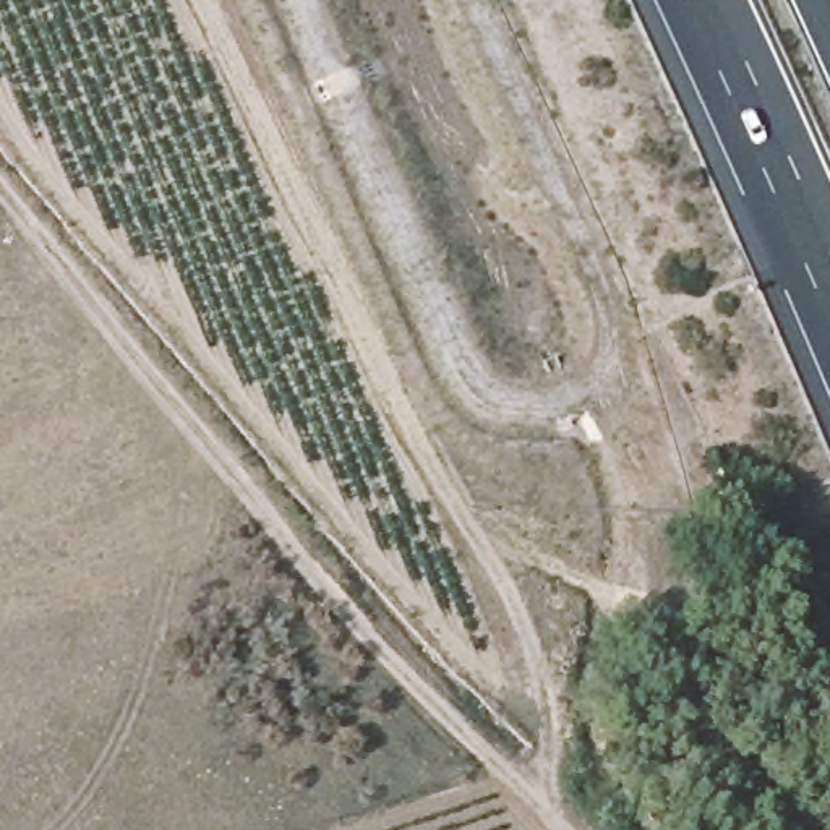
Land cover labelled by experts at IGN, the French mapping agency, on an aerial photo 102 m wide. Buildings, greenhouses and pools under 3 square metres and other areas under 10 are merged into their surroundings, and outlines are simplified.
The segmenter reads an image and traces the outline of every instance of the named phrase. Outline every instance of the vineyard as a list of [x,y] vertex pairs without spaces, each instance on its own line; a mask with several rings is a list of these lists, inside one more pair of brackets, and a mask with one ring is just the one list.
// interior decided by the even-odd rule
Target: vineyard
[[499,778],[486,772],[477,781],[451,785],[428,798],[383,807],[370,817],[357,817],[331,830],[548,830],[535,804],[506,791]]
[[473,729],[483,739],[503,749],[516,765],[535,762],[538,726],[551,723],[551,717],[548,710],[535,710],[535,704],[525,697],[528,668],[522,658],[522,645],[509,626],[506,606],[486,580],[480,561],[470,554],[447,506],[438,503],[434,483],[421,467],[415,447],[409,444],[405,431],[399,428],[386,396],[376,389],[370,396],[363,392],[360,373],[347,357],[347,344],[327,337],[331,302],[318,276],[292,263],[292,253],[279,230],[263,230],[263,220],[272,217],[272,204],[259,185],[243,133],[233,123],[227,94],[214,75],[214,65],[201,52],[191,52],[185,36],[178,32],[178,23],[188,16],[191,23],[198,23],[198,36],[208,36],[208,23],[201,19],[195,0],[0,0],[0,172],[26,198],[36,217],[52,227],[58,243],[75,256],[84,276],[97,285],[97,292],[117,308],[120,321],[136,334],[143,350],[191,399],[198,415],[204,415],[224,441],[237,447],[240,460],[263,483],[269,499],[308,545],[308,551],[324,564],[327,574],[340,580],[340,587],[376,626],[376,632],[383,632],[389,645],[434,691],[441,691],[473,723]]

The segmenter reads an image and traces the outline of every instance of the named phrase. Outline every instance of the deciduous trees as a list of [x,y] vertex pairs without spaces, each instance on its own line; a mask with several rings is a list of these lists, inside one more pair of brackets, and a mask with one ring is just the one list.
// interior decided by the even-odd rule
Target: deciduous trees
[[577,824],[580,830],[830,830],[830,655],[804,626],[807,597],[785,580],[791,571],[801,571],[804,541],[785,538],[772,522],[762,522],[746,490],[755,480],[791,486],[791,480],[807,464],[814,438],[807,428],[798,425],[794,415],[785,415],[759,418],[739,444],[717,444],[704,454],[704,470],[710,470],[713,483],[691,499],[687,516],[674,516],[665,525],[671,567],[658,571],[658,584],[648,590],[645,600],[639,600],[629,610],[600,613],[593,600],[584,603],[584,632],[577,639],[577,652],[564,684],[561,707],[564,720],[571,720],[574,726],[574,739],[564,742],[558,775],[564,791],[564,811],[571,824]]

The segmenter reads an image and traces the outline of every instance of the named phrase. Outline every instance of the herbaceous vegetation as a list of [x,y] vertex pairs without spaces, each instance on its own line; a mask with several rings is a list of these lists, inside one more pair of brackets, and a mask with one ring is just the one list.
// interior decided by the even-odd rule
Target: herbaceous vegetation
[[[217,0],[237,39],[237,49],[250,68],[250,78],[279,123],[279,136],[289,156],[305,175],[314,201],[324,208],[324,217],[334,237],[340,240],[350,272],[366,292],[366,308],[386,340],[386,353],[396,363],[405,399],[412,402],[441,467],[454,467],[460,473],[460,486],[473,503],[477,522],[490,535],[496,558],[506,564],[509,577],[516,580],[528,606],[528,616],[545,652],[545,665],[564,684],[577,652],[577,639],[584,632],[584,603],[593,600],[600,613],[629,610],[639,600],[645,600],[648,590],[658,584],[658,571],[671,567],[665,525],[674,516],[687,516],[691,499],[713,483],[710,470],[704,470],[704,454],[717,444],[739,444],[759,418],[785,415],[794,415],[798,425],[807,428],[814,438],[807,464],[791,480],[791,486],[755,480],[746,490],[762,522],[772,522],[785,538],[804,541],[801,571],[791,571],[785,580],[807,597],[804,626],[830,655],[830,447],[804,392],[804,383],[791,363],[791,353],[781,340],[781,331],[772,318],[772,308],[752,276],[752,266],[746,263],[742,240],[729,220],[729,211],[710,182],[717,169],[704,165],[691,123],[674,97],[674,88],[658,62],[658,52],[632,0]],[[580,84],[580,62],[593,55],[613,62],[613,88]],[[678,139],[687,149],[681,156],[668,152],[661,165],[648,165],[639,159],[635,149],[635,143],[645,136],[658,143]],[[668,253],[681,253],[691,246],[704,253],[707,269],[717,276],[713,285],[704,295],[661,292],[655,282],[658,266]],[[729,373],[726,379],[707,376],[694,353],[681,350],[674,321],[687,314],[700,318],[710,334],[729,327],[729,344],[742,347],[736,373]]]

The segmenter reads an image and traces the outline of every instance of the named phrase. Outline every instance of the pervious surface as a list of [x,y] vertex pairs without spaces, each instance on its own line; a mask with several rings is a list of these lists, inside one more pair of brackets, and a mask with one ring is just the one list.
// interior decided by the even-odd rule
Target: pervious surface
[[490,535],[477,522],[473,503],[460,486],[460,473],[454,467],[441,467],[412,402],[405,399],[396,363],[386,353],[386,340],[366,308],[366,292],[350,272],[340,240],[334,237],[324,217],[324,208],[314,201],[305,175],[289,156],[279,136],[279,123],[250,78],[250,68],[237,49],[237,39],[217,0],[195,0],[201,19],[208,23],[208,36],[198,36],[198,23],[191,23],[188,16],[178,23],[178,32],[185,36],[191,52],[201,52],[214,65],[214,75],[227,94],[233,123],[243,133],[259,185],[272,204],[272,217],[263,220],[263,230],[279,230],[292,253],[292,263],[318,276],[331,302],[327,337],[347,344],[347,357],[360,373],[363,392],[370,396],[376,389],[386,396],[399,428],[405,431],[409,444],[415,447],[421,467],[434,483],[438,503],[447,506],[470,554],[480,561],[486,580],[506,606],[509,626],[522,645],[522,658],[528,668],[525,697],[535,704],[535,710],[548,710],[551,717],[551,723],[538,726],[535,762],[516,765],[503,749],[483,739],[473,729],[473,723],[441,691],[434,691],[389,645],[383,632],[376,632],[376,626],[340,587],[340,580],[327,574],[324,564],[308,551],[308,545],[269,499],[263,483],[240,460],[237,447],[224,441],[204,415],[198,415],[191,399],[143,350],[136,334],[120,321],[117,308],[97,292],[97,285],[84,276],[75,256],[58,243],[52,227],[36,217],[26,198],[0,172],[0,240],[13,243],[26,233],[39,259],[52,269],[62,292],[101,331],[117,360],[149,392],[156,409],[182,431],[182,438],[233,490],[233,496],[263,522],[269,538],[279,541],[282,554],[292,558],[305,580],[314,590],[337,600],[337,606],[350,616],[353,639],[370,642],[376,648],[379,665],[392,674],[392,681],[438,726],[444,726],[464,749],[470,749],[486,772],[499,778],[506,791],[535,804],[548,830],[580,830],[577,824],[571,824],[564,811],[564,791],[558,775],[564,742],[574,739],[574,726],[571,720],[564,720],[561,707],[564,684],[545,665],[545,652],[528,616],[528,606],[516,580],[509,577],[506,564],[496,558]]

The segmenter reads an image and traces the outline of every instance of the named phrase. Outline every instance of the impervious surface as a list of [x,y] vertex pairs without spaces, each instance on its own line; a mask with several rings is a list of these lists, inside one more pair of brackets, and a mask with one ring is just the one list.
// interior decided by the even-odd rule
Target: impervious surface
[[772,308],[772,318],[781,331],[781,340],[791,353],[791,363],[804,383],[804,392],[830,447],[830,0],[632,0],[658,52],[658,62],[674,88],[674,97],[691,123],[704,165],[717,169],[710,182],[729,211],[729,220],[742,240],[746,263],[752,266],[752,276]]

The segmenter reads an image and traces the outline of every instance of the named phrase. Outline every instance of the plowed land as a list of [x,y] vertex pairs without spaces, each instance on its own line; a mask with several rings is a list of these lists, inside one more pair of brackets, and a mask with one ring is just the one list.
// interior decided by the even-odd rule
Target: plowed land
[[292,558],[282,554],[279,541],[269,538],[263,522],[233,496],[233,490],[182,438],[182,431],[156,409],[149,392],[117,360],[101,331],[62,292],[52,269],[39,259],[26,233],[13,243],[0,240],[0,830],[331,830],[357,817],[370,817],[383,807],[428,798],[451,785],[477,781],[486,772],[470,749],[464,749],[444,726],[438,726],[392,681],[392,674],[379,665],[376,648],[370,642],[353,639],[350,616],[337,606],[337,600],[314,590],[305,580]]

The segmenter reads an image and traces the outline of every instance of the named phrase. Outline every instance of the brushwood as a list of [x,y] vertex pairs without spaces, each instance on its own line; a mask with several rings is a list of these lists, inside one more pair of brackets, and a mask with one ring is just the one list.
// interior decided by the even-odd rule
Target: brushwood
[[658,266],[655,282],[661,292],[704,295],[713,285],[717,276],[707,269],[704,253],[691,246],[681,253],[668,253]]
[[593,55],[580,62],[580,84],[613,88],[613,62]]
[[707,376],[726,379],[729,373],[736,373],[742,347],[729,344],[729,327],[710,334],[700,318],[687,314],[674,321],[681,350],[694,353]]
[[668,152],[681,156],[687,149],[678,139],[658,143],[645,136],[635,143],[635,149],[639,159],[648,165],[661,165]]

